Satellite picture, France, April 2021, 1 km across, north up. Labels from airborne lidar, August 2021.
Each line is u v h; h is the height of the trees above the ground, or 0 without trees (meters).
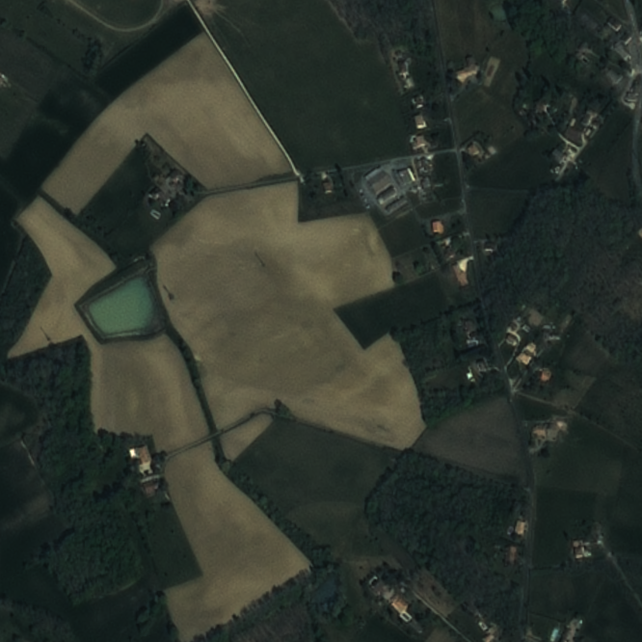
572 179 7
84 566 25
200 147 0
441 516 20
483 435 0
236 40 0
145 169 0
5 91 0
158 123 0
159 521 0
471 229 0
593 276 6
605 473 0
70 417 16
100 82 0
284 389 0
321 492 0
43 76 0
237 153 0
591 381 0
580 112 9
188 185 13
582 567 14
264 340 0
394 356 0
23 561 0
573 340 0
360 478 0
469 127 0
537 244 22
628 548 0
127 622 0
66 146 0
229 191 0
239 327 0
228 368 0
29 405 0
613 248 11
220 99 0
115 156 0
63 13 0
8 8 0
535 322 0
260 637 13
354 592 0
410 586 12
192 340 0
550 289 12
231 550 0
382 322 0
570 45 16
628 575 9
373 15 18
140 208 0
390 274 0
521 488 9
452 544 16
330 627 0
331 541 0
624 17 0
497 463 0
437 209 0
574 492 0
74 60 0
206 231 0
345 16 9
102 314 0
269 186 0
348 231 0
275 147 0
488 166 0
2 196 0
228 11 0
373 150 0
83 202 0
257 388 0
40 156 0
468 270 0
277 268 0
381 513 14
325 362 0
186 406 0
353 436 0
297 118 0
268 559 0
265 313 0
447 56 0
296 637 14
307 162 0
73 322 0
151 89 0
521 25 29
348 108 0
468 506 18
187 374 0
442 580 15
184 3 0
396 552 0
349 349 0
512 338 0
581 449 0
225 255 0
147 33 0
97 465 27
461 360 23
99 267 0
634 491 0
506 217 0
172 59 0
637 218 18
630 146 0
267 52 0
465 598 17
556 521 0
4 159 0
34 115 0
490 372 9
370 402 0
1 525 0
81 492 27
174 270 0
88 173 0
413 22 18
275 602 18
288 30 0
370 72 0
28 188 0
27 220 0
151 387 0
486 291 10
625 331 14
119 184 0
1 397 0
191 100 0
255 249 0
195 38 0
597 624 0
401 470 13
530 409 0
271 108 0
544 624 0
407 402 0
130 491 21
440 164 0
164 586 0
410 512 18
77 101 0
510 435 0
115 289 0
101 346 0
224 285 0
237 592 0
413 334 11
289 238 0
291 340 0
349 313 0
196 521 0
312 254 0
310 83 0
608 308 11
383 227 0
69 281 0
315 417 0
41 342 0
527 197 0
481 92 0
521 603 11
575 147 0
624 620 0
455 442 0
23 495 0
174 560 0
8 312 9
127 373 0
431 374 13
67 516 14
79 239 0
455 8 0
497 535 7
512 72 0
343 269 0
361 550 0
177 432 0
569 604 0
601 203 25
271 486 0
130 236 0
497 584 20
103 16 0
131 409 0
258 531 0
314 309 0
